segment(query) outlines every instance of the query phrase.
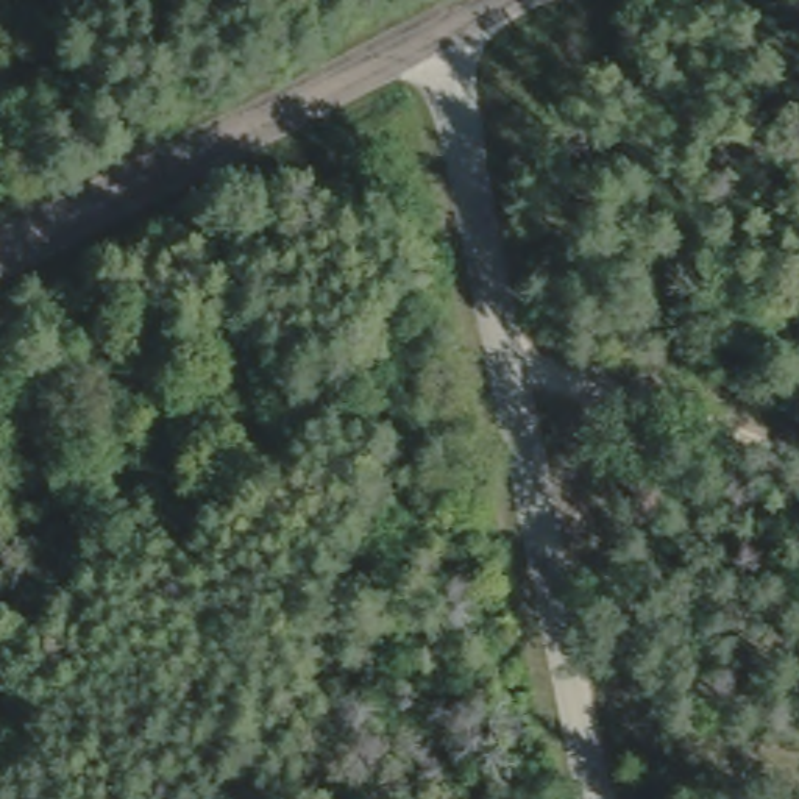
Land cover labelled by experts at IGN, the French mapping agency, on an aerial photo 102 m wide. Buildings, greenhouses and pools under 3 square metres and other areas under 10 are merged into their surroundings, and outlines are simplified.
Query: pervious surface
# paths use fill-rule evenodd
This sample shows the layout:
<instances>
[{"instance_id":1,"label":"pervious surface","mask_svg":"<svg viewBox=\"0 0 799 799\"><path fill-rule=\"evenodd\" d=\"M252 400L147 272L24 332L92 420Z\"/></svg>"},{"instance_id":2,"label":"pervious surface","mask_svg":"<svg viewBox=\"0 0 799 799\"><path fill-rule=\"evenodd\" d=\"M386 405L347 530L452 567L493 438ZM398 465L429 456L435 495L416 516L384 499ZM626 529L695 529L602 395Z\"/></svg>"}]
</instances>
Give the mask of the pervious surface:
<instances>
[{"instance_id":1,"label":"pervious surface","mask_svg":"<svg viewBox=\"0 0 799 799\"><path fill-rule=\"evenodd\" d=\"M559 649L546 652L559 718L540 715L540 727L559 743L559 749L568 755L574 768L574 777L587 787L587 774L599 768L605 758L602 746L590 737L593 693L590 680L571 671Z\"/></svg>"},{"instance_id":2,"label":"pervious surface","mask_svg":"<svg viewBox=\"0 0 799 799\"><path fill-rule=\"evenodd\" d=\"M518 446L506 471L506 496L496 518L499 531L521 527L527 518L540 512L556 512L562 518L581 521L581 509L562 496L562 484L552 478L546 465L546 449L537 434L537 412L527 406L527 393L521 384L521 368L534 356L531 340L515 325L499 325L515 303L527 300L527 278L493 243L490 222L484 215L490 203L499 203L502 197L490 187L490 172L484 165L487 150L481 137L481 115L474 112L478 53L465 56L456 50L449 37L443 37L440 56L406 69L403 81L421 91L434 122L431 128L424 128L424 153L415 156L421 169L434 175L434 184L446 194L446 215L440 231L453 247L456 290L462 303L484 309L484 315L478 318L481 340L487 346L487 353L478 359L481 400L490 421L506 428Z\"/></svg>"}]
</instances>

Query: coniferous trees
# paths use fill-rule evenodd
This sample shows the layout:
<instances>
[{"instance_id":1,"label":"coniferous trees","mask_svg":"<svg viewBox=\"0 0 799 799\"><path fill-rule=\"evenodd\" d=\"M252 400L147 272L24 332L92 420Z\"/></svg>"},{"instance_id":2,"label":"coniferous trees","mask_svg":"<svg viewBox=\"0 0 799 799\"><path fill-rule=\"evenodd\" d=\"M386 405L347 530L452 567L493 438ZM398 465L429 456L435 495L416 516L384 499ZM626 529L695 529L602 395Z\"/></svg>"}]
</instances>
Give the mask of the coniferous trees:
<instances>
[{"instance_id":1,"label":"coniferous trees","mask_svg":"<svg viewBox=\"0 0 799 799\"><path fill-rule=\"evenodd\" d=\"M359 47L368 34L390 31L400 22L431 6L443 6L449 0L0 0L0 200L12 197L16 203L31 203L41 200L41 190L78 194L84 181L97 178L109 165L119 165L137 137L156 140L159 134L175 134L187 125L203 128L206 122L218 122L228 109L247 103L250 97L281 94L290 81L312 75L340 53Z\"/></svg>"},{"instance_id":2,"label":"coniferous trees","mask_svg":"<svg viewBox=\"0 0 799 799\"><path fill-rule=\"evenodd\" d=\"M780 771L768 771L762 765L749 774L746 799L799 799L799 787L787 780Z\"/></svg>"},{"instance_id":3,"label":"coniferous trees","mask_svg":"<svg viewBox=\"0 0 799 799\"><path fill-rule=\"evenodd\" d=\"M465 665L465 646L478 646L481 637L471 621L481 618L484 609L493 609L493 599L471 593L474 581L453 581L449 574L440 574L437 565L446 552L446 540L434 537L428 543L424 534L428 518L437 515L446 496L474 493L481 487L481 471L487 471L496 462L506 471L518 446L506 428L490 421L481 400L478 359L487 353L487 346L481 340L478 318L484 315L484 309L462 303L456 290L446 297L446 312L440 312L434 325L428 325L418 337L406 340L396 353L390 353L387 315L396 309L403 293L421 290L428 284L428 272L437 265L437 250L421 253L415 234L406 225L378 225L375 212L368 209L368 190L384 194L390 203L396 203L396 197L406 190L406 184L396 178L378 178L365 172L371 140L356 131L356 125L340 106L334 103L328 115L312 119L306 115L300 97L281 97L272 109L278 128L284 131L281 140L259 144L253 156L234 156L231 162L190 165L178 181L165 184L165 190L172 194L169 203L153 209L153 222L147 222L144 215L131 215L115 225L91 225L81 237L69 240L62 259L37 265L34 278L22 284L16 300L0 306L0 371L19 368L28 375L12 406L12 462L19 465L19 487L9 490L9 509L16 531L9 534L0 527L0 799L543 799L546 783L552 783L556 774L556 768L546 762L546 749L537 740L515 740L515 715L493 715L490 724L481 724L484 712L471 702L462 705L459 696L449 690L453 671ZM197 524L197 534L187 543L169 540L165 527L153 515L153 521L134 527L125 546L109 549L109 518L100 509L87 506L91 484L66 484L50 490L50 474L62 465L62 428L53 421L47 403L56 384L62 381L62 375L53 368L59 365L59 346L72 343L84 331L91 340L91 356L100 365L106 365L112 359L112 321L103 315L103 309L112 306L119 290L144 290L147 331L159 331L165 337L197 334L200 343L212 343L215 337L222 337L231 353L237 424L243 424L247 437L237 446L215 449L209 459L209 471L203 471L197 490L187 493L194 506L203 512L203 521ZM337 403L337 396L356 387L359 365L387 359L390 353L400 368L400 381L390 387L387 406L381 412L337 415L328 409L331 403ZM371 549L368 543L362 546L371 515L387 512L387 506L393 502L400 502L409 512L406 534L384 552Z\"/></svg>"},{"instance_id":4,"label":"coniferous trees","mask_svg":"<svg viewBox=\"0 0 799 799\"><path fill-rule=\"evenodd\" d=\"M627 0L615 12L618 28L612 31L609 47L602 53L612 66L590 66L584 78L584 100L571 100L546 112L534 140L524 147L524 153L531 156L527 175L506 181L502 197L499 203L490 203L484 215L490 222L493 243L527 278L527 300L515 303L499 325L515 325L531 340L546 340L552 346L559 371L587 384L587 412L605 409L615 390L624 390L624 400L637 400L646 406L652 406L662 396L687 396L693 403L702 403L708 412L705 421L718 421L724 424L724 431L712 440L718 456L705 462L702 481L696 484L696 499L690 496L677 502L674 496L665 496L659 487L640 496L640 490L627 478L596 478L593 468L581 468L593 493L605 499L612 524L602 531L605 552L587 562L587 571L581 571L577 584L562 599L565 640L559 649L571 671L590 680L593 693L630 693L640 702L643 718L659 718L668 727L662 733L665 752L684 746L690 762L712 762L721 774L730 774L733 768L727 755L727 749L733 746L746 758L762 762L762 743L771 730L774 705L790 705L790 721L793 727L799 727L799 0ZM765 356L771 359L771 365L755 371L752 381L737 381L727 371L721 371L715 346L724 346L730 340L733 321L749 321L746 297L755 293L774 297L790 321L780 331L765 334Z\"/></svg>"}]
</instances>

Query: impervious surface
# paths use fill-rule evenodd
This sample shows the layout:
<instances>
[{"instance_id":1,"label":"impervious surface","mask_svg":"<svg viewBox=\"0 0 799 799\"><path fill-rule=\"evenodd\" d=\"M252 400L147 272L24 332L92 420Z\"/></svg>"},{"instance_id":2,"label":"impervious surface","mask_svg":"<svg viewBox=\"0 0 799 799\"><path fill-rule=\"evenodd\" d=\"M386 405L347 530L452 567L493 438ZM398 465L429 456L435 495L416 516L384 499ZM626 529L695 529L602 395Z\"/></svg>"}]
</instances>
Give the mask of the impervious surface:
<instances>
[{"instance_id":1,"label":"impervious surface","mask_svg":"<svg viewBox=\"0 0 799 799\"><path fill-rule=\"evenodd\" d=\"M478 53L484 41L509 28L515 19L521 19L521 12L546 6L552 0L449 0L443 6L431 6L400 22L390 31L368 34L359 47L340 53L312 75L290 81L281 94L250 97L247 103L228 109L218 122L206 122L203 128L187 125L175 134L159 134L156 140L137 137L119 165L109 165L97 178L84 181L78 194L41 190L41 200L31 203L16 203L12 197L0 200L0 306L16 300L22 284L34 278L37 265L62 259L69 240L81 237L91 225L115 225L131 215L144 215L147 222L153 222L153 209L169 203L172 194L165 190L165 184L178 181L190 165L231 162L234 156L253 156L259 144L281 140L284 131L278 128L272 109L281 97L300 97L306 115L312 119L328 115L334 103L340 106L384 84L403 81L406 69L440 56L443 37L449 37L456 50L465 56Z\"/></svg>"}]
</instances>

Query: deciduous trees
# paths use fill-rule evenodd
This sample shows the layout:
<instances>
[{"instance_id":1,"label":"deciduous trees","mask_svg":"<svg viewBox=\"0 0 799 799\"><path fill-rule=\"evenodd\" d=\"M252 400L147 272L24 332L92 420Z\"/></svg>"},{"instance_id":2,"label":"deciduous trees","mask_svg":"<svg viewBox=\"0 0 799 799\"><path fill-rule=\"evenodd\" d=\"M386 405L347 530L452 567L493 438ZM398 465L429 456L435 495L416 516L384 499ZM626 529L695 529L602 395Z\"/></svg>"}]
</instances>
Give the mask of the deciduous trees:
<instances>
[{"instance_id":1,"label":"deciduous trees","mask_svg":"<svg viewBox=\"0 0 799 799\"><path fill-rule=\"evenodd\" d=\"M440 312L446 312L446 297L456 290L453 247L440 231L446 215L446 194L434 184L434 175L421 169L415 156L393 134L378 134L371 140L365 172L378 178L396 178L406 184L406 190L396 197L396 203L390 203L384 194L368 190L368 209L375 212L378 225L406 225L415 234L421 253L437 250L437 265L428 272L428 284L421 290L403 293L396 309L387 315L390 353L396 353L406 340L418 337L428 325L434 325Z\"/></svg>"},{"instance_id":2,"label":"deciduous trees","mask_svg":"<svg viewBox=\"0 0 799 799\"><path fill-rule=\"evenodd\" d=\"M371 515L362 546L368 543L371 549L384 552L406 534L409 512L400 502L393 502L387 506L387 512Z\"/></svg>"},{"instance_id":3,"label":"deciduous trees","mask_svg":"<svg viewBox=\"0 0 799 799\"><path fill-rule=\"evenodd\" d=\"M50 490L66 484L91 484L87 506L100 509L109 518L109 549L125 546L134 527L153 521L153 515L165 527L169 540L187 543L197 534L197 524L203 521L203 512L194 506L187 493L197 490L203 471L209 471L209 459L215 449L237 446L247 437L243 424L237 424L231 353L222 337L215 337L212 343L200 343L197 334L165 337L159 331L147 331L144 290L119 290L112 306L103 309L103 315L112 321L112 359L106 365L100 365L91 356L91 340L84 331L72 343L59 346L59 365L53 368L62 375L62 381L56 384L47 403L53 421L62 428L62 465L50 474Z\"/></svg>"},{"instance_id":4,"label":"deciduous trees","mask_svg":"<svg viewBox=\"0 0 799 799\"><path fill-rule=\"evenodd\" d=\"M28 375L19 368L0 371L0 527L9 534L16 531L9 509L9 490L19 487L19 465L12 462L12 406Z\"/></svg>"},{"instance_id":5,"label":"deciduous trees","mask_svg":"<svg viewBox=\"0 0 799 799\"><path fill-rule=\"evenodd\" d=\"M727 371L737 381L752 381L755 371L771 365L771 359L765 356L765 334L780 331L790 321L774 297L755 293L746 297L749 321L733 321L730 340L724 346L715 346L721 371Z\"/></svg>"},{"instance_id":6,"label":"deciduous trees","mask_svg":"<svg viewBox=\"0 0 799 799\"><path fill-rule=\"evenodd\" d=\"M546 762L556 768L556 774L552 783L546 783L543 799L587 799L587 787L574 777L574 768L568 755L559 749L559 743L540 727L540 715L534 674L521 659L531 643L518 637L518 621L506 599L512 556L509 543L496 534L499 531L496 518L506 496L506 471L496 462L487 471L481 471L481 487L474 493L446 496L437 515L428 518L424 534L428 543L434 537L446 540L446 552L437 565L440 574L449 574L453 581L474 581L471 593L493 599L493 609L484 609L481 618L471 621L481 637L478 646L465 646L465 665L453 671L449 690L459 696L462 705L471 702L484 712L481 724L490 724L493 715L515 715L515 740L537 740L546 749Z\"/></svg>"},{"instance_id":7,"label":"deciduous trees","mask_svg":"<svg viewBox=\"0 0 799 799\"><path fill-rule=\"evenodd\" d=\"M596 478L627 478L640 490L640 496L659 487L665 496L674 496L677 502L690 496L696 499L696 484L702 481L705 462L718 456L712 440L724 431L724 424L718 421L705 421L708 412L702 403L693 403L687 396L662 396L652 406L646 406L637 400L624 400L624 390L615 390L605 409L587 412L581 468L593 468Z\"/></svg>"},{"instance_id":8,"label":"deciduous trees","mask_svg":"<svg viewBox=\"0 0 799 799\"><path fill-rule=\"evenodd\" d=\"M337 415L381 412L387 406L390 387L400 381L400 368L390 353L387 359L359 365L356 387L337 396L337 403L331 403L328 409Z\"/></svg>"}]
</instances>

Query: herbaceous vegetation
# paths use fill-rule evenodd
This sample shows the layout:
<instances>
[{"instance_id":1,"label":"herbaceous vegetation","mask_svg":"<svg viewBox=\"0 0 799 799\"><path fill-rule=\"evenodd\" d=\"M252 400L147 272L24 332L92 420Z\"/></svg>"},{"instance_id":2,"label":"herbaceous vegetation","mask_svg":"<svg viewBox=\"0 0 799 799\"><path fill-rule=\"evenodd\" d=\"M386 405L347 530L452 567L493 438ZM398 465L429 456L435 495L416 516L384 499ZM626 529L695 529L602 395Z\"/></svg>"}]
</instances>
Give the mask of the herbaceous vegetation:
<instances>
[{"instance_id":1,"label":"herbaceous vegetation","mask_svg":"<svg viewBox=\"0 0 799 799\"><path fill-rule=\"evenodd\" d=\"M478 53L474 112L481 115L481 137L487 150L484 165L490 172L490 187L502 197L506 181L527 175L531 156L524 153L524 147L534 140L546 112L571 100L584 100L584 78L590 66L612 66L602 53L609 47L612 31L618 28L615 12L627 0L552 0L546 6L521 12L521 19L515 19L509 28L484 41Z\"/></svg>"},{"instance_id":2,"label":"herbaceous vegetation","mask_svg":"<svg viewBox=\"0 0 799 799\"><path fill-rule=\"evenodd\" d=\"M356 131L371 140L378 134L393 134L415 156L424 153L424 128L431 128L434 122L421 91L403 81L384 84L340 106L356 125Z\"/></svg>"},{"instance_id":3,"label":"herbaceous vegetation","mask_svg":"<svg viewBox=\"0 0 799 799\"><path fill-rule=\"evenodd\" d=\"M577 584L581 571L587 571L587 562L605 552L602 531L612 524L605 499L593 493L581 468L587 412L587 384L559 371L552 346L546 340L531 340L534 356L521 368L521 384L527 393L527 406L537 412L537 434L546 449L546 465L552 478L562 484L562 496L581 509L581 521L562 518L556 512L540 512L527 518L521 527L499 531L496 534L509 543L512 556L506 599L518 621L518 637L531 643L521 659L534 674L540 715L559 718L546 652L559 649L565 640L562 599Z\"/></svg>"},{"instance_id":4,"label":"herbaceous vegetation","mask_svg":"<svg viewBox=\"0 0 799 799\"><path fill-rule=\"evenodd\" d=\"M793 727L790 721L790 705L774 705L771 730L762 743L762 762L746 758L733 746L727 749L727 755L733 768L730 774L721 774L712 762L690 762L684 746L665 752L662 733L668 727L659 718L643 718L640 702L630 693L593 693L590 737L602 746L605 758L599 768L587 774L587 787L587 799L746 799L749 774L762 765L768 771L780 771L787 780L799 787L799 727Z\"/></svg>"}]
</instances>

